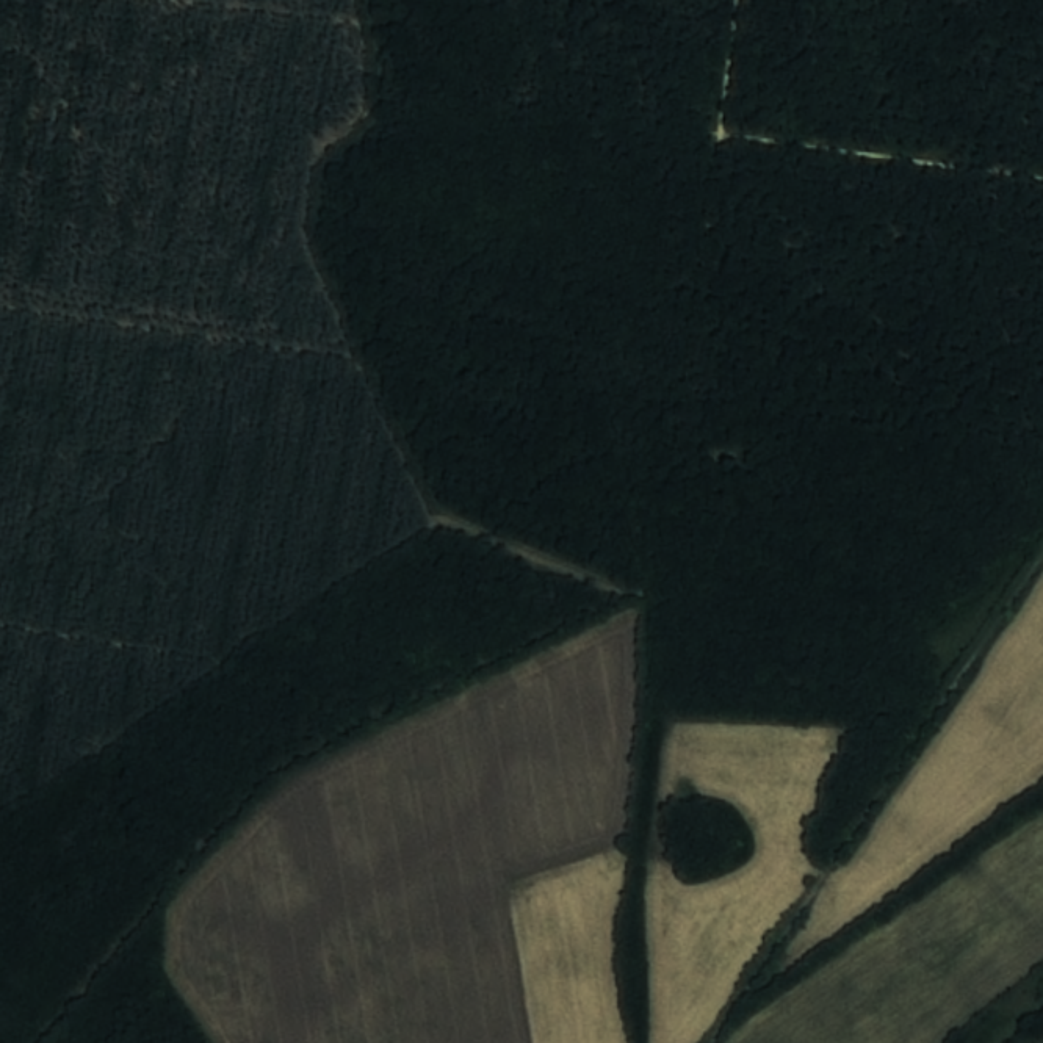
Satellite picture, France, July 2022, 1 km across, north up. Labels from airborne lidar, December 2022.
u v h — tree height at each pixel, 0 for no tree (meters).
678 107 28
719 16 18
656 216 19
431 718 0
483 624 17
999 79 23
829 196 21
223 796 20
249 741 22
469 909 0
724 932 0
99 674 15
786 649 20
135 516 14
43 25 19
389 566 16
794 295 22
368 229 20
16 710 20
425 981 0
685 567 15
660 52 21
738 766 0
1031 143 23
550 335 14
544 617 14
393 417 9
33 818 17
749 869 0
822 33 17
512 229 20
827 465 25
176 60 16
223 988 0
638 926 9
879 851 0
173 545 15
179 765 23
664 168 23
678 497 21
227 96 18
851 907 0
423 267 17
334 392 18
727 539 15
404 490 17
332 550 20
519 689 0
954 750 0
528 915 0
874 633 22
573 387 17
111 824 12
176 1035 13
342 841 0
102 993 14
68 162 18
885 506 23
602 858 0
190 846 19
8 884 16
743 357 24
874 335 25
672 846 17
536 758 0
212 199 18
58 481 15
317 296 16
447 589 14
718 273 20
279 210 15
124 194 20
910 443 22
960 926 0
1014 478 17
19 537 14
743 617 20
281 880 0
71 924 12
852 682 20
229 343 17
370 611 15
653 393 19
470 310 19
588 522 18
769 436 22
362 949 0
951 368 23
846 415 25
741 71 19
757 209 24
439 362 22
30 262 17
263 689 21
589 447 16
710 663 19
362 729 11
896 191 24
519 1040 0
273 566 17
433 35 21
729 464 17
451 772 0
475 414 14
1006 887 0
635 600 15
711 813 14
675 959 0
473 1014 0
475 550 15
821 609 16
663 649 19
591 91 20
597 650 0
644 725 9
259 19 14
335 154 17
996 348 24
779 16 17
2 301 19
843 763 18
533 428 23
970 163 22
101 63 13
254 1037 0
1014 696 0
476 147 21
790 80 19
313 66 15
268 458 17
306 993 0
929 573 20
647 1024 7
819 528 26
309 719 11
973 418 25
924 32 19
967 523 20
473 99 21
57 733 18
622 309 18
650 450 18
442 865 0
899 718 19
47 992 15
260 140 15
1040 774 0
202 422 15
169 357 17
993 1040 0
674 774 0
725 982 0
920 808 0
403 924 0
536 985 0
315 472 17
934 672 13
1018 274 26
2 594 14
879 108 20
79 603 17
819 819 17
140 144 21
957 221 26
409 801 0
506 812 0
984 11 16
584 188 23
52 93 15
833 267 24
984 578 15
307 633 21
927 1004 0
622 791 0
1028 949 0
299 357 15
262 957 0
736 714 15
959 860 13
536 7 22
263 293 19
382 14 14
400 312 17
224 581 18
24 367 19
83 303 17
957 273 25
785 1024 0
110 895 15
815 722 11
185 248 16
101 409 15
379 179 22
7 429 11
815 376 25
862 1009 0
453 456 20
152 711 15
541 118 19
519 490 22
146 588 11
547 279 23
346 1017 0
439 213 15
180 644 12
